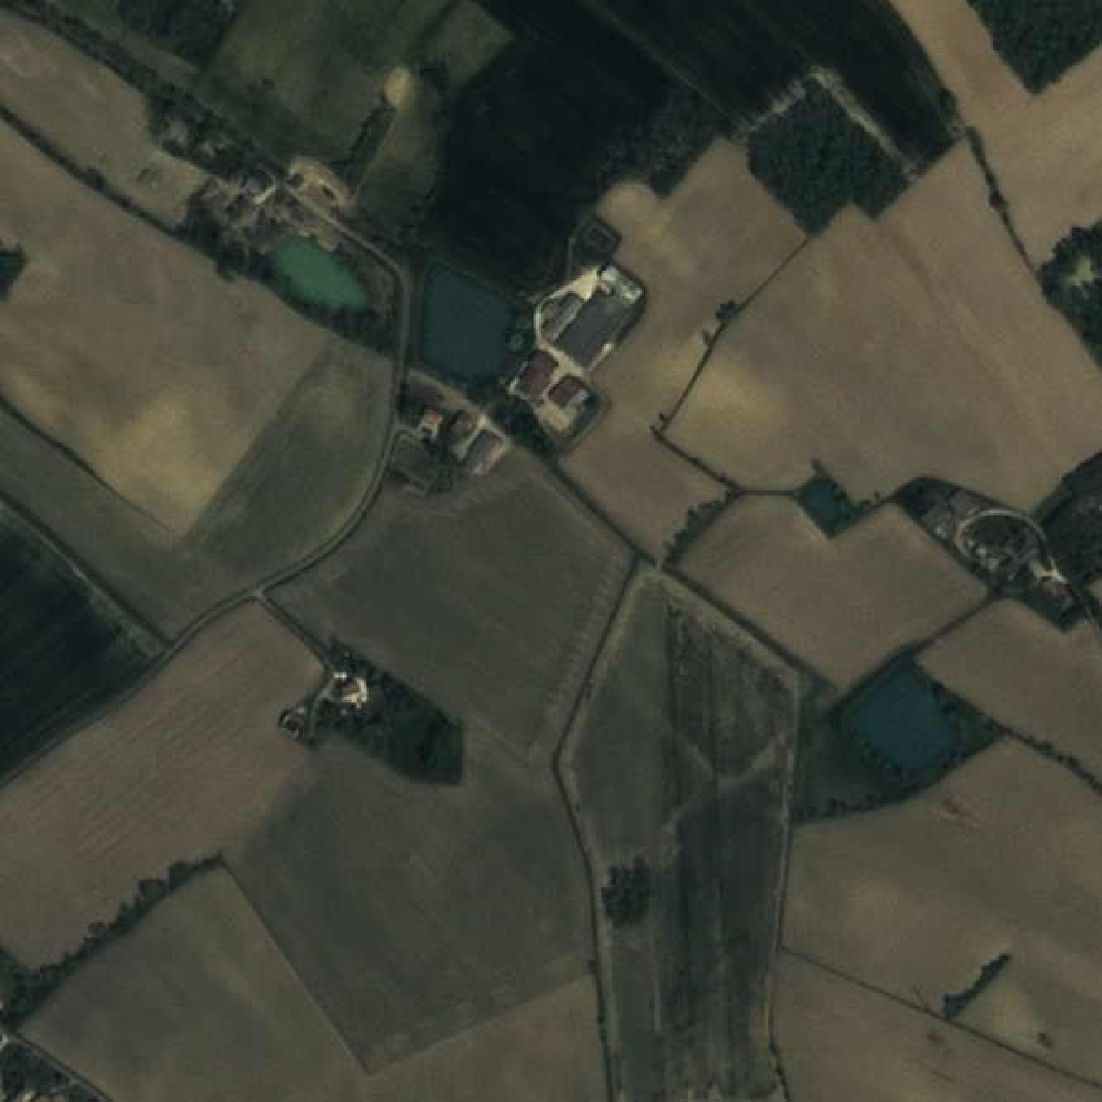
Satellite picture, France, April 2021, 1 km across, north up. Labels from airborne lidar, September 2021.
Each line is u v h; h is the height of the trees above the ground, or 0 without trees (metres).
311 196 0
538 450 22
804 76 0
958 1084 0
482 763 0
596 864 0
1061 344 0
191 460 0
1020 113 0
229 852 0
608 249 0
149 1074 0
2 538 0
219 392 0
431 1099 0
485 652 0
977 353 0
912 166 0
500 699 0
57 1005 0
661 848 0
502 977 0
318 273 0
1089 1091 0
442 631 0
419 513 0
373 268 0
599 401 0
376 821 0
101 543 0
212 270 0
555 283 0
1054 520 10
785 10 0
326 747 0
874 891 0
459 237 0
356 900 0
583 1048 0
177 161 0
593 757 0
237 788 0
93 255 0
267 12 0
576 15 0
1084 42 21
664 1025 0
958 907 0
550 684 0
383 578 0
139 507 0
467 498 0
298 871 0
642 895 18
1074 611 8
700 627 0
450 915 0
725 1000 0
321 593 0
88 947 9
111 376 0
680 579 7
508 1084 0
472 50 0
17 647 0
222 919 0
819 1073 0
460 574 0
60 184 0
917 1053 0
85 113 0
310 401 0
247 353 0
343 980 0
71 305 0
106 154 0
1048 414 0
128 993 0
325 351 0
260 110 0
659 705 0
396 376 0
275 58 0
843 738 0
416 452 0
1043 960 0
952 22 0
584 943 0
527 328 18
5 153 0
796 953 0
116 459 0
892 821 0
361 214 0
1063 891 0
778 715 0
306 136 0
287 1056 0
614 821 0
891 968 0
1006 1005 0
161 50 14
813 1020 0
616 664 0
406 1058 0
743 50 0
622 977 0
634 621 0
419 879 0
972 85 0
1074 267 24
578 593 0
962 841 0
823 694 0
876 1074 0
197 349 0
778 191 15
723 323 12
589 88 0
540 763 0
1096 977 0
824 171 9
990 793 0
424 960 0
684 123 19
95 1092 0
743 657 0
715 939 0
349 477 0
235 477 0
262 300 0
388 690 16
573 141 0
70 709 0
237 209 7
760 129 0
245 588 0
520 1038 0
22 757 0
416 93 0
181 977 0
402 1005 0
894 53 0
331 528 0
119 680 0
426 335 0
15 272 10
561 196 0
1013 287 0
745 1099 0
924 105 0
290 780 0
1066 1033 0
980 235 0
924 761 0
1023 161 0
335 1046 0
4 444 0
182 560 0
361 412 0
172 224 0
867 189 21
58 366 0
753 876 0
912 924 0
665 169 18
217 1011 0
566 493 0
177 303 0
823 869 0
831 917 0
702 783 0
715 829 0
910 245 0
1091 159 0
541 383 0
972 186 0
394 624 0
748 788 0
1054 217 0
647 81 0
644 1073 0
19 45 0
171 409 0
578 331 0
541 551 0
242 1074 0
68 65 0
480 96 0
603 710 0
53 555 0
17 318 0
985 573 9
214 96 0
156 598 0
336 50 0
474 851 0
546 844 0
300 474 0
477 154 0
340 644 13
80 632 0
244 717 0
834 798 0
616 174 17
